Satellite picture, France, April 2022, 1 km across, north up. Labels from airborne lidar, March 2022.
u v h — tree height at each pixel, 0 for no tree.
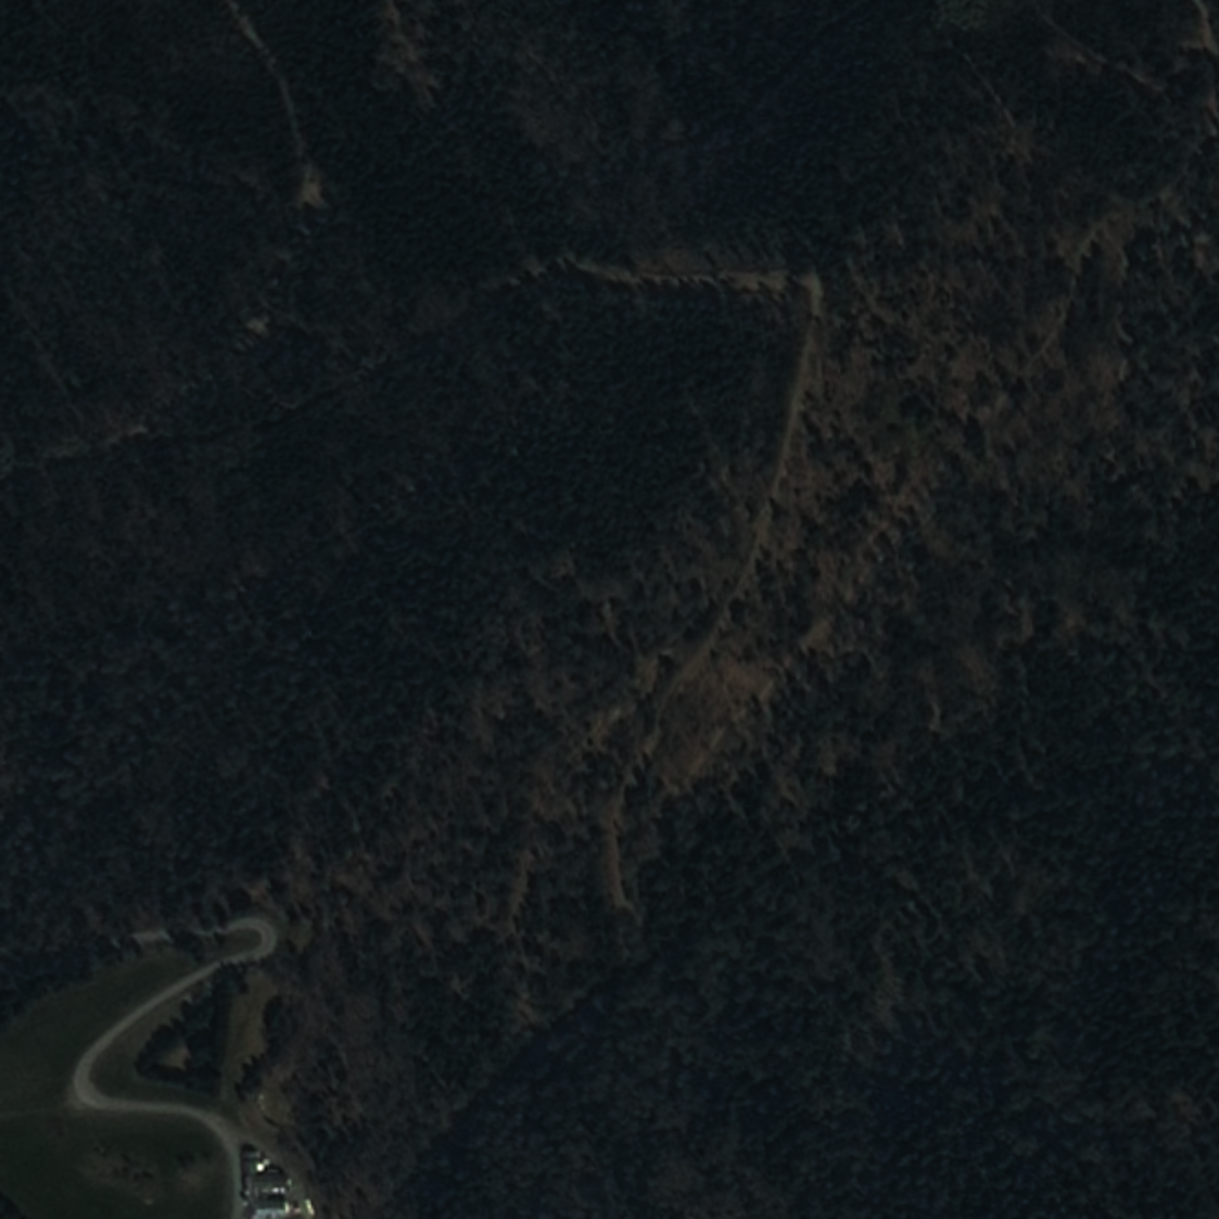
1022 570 28
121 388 19
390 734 24
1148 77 10
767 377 23
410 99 14
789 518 19
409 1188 28
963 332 9
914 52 20
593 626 34
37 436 23
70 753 29
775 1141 19
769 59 23
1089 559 25
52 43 19
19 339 25
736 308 15
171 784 14
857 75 16
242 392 21
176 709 28
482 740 18
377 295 21
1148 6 17
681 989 34
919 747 17
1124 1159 31
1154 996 16
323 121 23
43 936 24
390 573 22
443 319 17
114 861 23
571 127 31
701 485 23
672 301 17
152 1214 0
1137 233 18
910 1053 9
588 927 23
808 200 17
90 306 24
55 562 20
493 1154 28
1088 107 16
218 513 17
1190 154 21
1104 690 10
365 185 20
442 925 20
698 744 18
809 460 9
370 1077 25
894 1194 21
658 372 25
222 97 22
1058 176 17
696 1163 27
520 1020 29
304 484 13
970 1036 35
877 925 10
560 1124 23
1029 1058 27
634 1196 9
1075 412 22
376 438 16
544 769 24
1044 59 17
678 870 36
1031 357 13
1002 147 10
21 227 19
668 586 27
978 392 18
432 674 16
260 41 19
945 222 15
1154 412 15
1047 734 22
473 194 22
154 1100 0
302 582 23
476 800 25
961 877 35
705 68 25
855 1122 34
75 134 27
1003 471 12
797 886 37
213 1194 0
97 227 23
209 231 22
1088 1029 37
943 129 9
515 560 23
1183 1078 30
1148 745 32
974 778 12
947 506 25
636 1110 32
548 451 17
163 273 15
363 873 22
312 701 22
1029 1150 28
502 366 18
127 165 21
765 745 37
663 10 29
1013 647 9
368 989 27
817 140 23
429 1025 15
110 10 24
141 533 16
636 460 21
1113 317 25
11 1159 0
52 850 31
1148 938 36
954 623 27
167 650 26
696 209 20
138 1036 0
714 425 22
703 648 15
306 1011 19
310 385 20
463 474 12
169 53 20
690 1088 27
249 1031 0
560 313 17
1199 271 45
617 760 13
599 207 23
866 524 36
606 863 18
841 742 11
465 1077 12
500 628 21
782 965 35
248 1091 12
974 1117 28
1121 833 29
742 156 24
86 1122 0
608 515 19
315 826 17
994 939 27
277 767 23
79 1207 0
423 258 24
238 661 18
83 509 17
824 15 23
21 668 24
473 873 19
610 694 29
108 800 18
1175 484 17
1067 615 15
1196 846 25
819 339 13
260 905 7
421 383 10
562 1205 25
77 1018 0
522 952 25
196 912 14
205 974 0
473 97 25
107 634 15
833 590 11
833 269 17
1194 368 17
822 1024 19
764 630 13
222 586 16
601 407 25
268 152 22
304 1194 0
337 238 19
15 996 23
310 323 19
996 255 17
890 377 8
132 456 16
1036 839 16
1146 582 16
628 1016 30
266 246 26
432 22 8
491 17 27
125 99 22
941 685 23
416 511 19
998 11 14
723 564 28
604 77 22
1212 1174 27
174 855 22
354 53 21
